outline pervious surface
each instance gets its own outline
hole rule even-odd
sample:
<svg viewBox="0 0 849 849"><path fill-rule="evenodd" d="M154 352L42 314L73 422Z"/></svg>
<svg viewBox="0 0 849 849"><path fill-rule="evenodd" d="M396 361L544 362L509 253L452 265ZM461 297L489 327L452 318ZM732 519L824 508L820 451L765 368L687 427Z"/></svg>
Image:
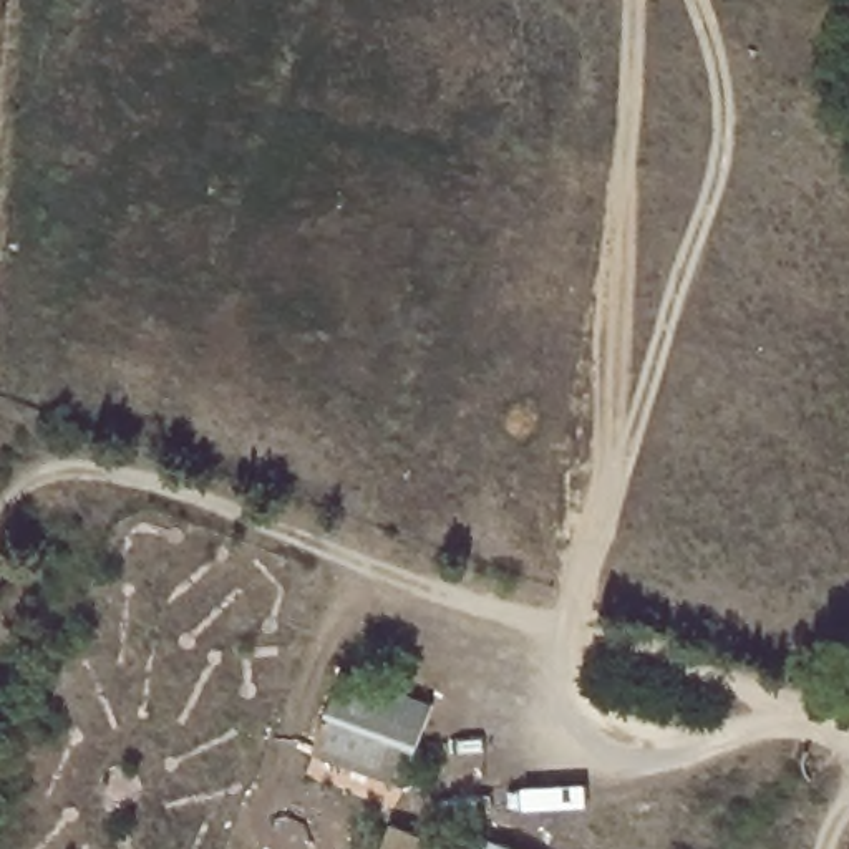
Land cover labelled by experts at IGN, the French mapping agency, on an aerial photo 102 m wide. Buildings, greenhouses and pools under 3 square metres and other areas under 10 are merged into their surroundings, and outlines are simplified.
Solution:
<svg viewBox="0 0 849 849"><path fill-rule="evenodd" d="M444 677L468 693L464 720L471 726L488 730L501 743L501 750L521 750L534 769L587 769L600 779L640 779L690 769L716 756L726 756L763 740L809 740L832 753L846 730L839 730L832 720L809 720L803 710L803 696L796 690L766 690L759 677L750 670L736 670L726 683L736 700L730 720L720 730L657 726L637 716L597 710L580 693L580 663L584 650L600 637L597 604L604 580L604 560L617 534L627 484L663 381L673 332L680 325L693 275L700 269L706 235L726 192L733 163L736 103L726 43L720 33L713 0L683 0L706 66L713 143L690 226L663 282L657 325L640 368L637 395L627 408L637 282L637 146L643 106L647 0L623 0L617 136L607 182L600 265L594 282L590 358L577 361L577 371L587 371L594 388L590 484L584 511L567 514L560 527L570 547L560 554L557 604L524 607L507 600L458 584L441 580L438 574L418 574L401 564L371 557L365 551L345 547L332 534L322 527L302 527L289 511L282 511L282 517L272 524L255 527L262 537L315 554L318 560L361 574L375 584L398 587L415 600L451 607L451 623L444 627L441 643L464 647L464 660L451 660L444 667Z"/></svg>
<svg viewBox="0 0 849 849"><path fill-rule="evenodd" d="M235 521L242 511L235 497L166 484L159 471L149 468L103 468L90 458L50 458L20 468L13 481L0 491L0 517L17 497L33 494L36 488L53 481L99 481L136 491L182 501L189 507L229 521Z"/></svg>

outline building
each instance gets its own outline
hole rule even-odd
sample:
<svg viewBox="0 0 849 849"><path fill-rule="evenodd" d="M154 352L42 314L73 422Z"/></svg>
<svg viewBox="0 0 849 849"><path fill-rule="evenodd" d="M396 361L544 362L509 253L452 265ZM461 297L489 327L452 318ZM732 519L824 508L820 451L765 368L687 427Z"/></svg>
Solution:
<svg viewBox="0 0 849 849"><path fill-rule="evenodd" d="M415 836L395 829L385 832L381 849L421 849Z"/></svg>
<svg viewBox="0 0 849 849"><path fill-rule="evenodd" d="M325 716L325 750L338 756L361 756L365 763L358 773L368 779L415 786L421 799L431 796L444 786L441 769L425 766L415 756L411 743L398 740L408 726L421 723L428 710L428 703L411 700L418 677L395 673L388 667L358 667L352 673L338 670L338 680L328 683L328 693L338 703L338 710Z"/></svg>

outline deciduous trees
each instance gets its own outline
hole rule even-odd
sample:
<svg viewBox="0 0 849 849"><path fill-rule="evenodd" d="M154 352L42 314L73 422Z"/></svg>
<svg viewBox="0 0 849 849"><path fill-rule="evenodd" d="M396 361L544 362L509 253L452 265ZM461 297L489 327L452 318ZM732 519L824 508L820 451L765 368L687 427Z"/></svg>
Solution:
<svg viewBox="0 0 849 849"><path fill-rule="evenodd" d="M156 793L143 793L133 799L136 826L129 839L139 849L186 849L206 809L166 809L169 799L186 796L182 786L172 779Z"/></svg>
<svg viewBox="0 0 849 849"><path fill-rule="evenodd" d="M819 66L813 70L813 93L819 96L816 123L822 126L822 133L836 129L849 139L849 0L826 0L829 10L813 46L813 60L819 60Z"/></svg>
<svg viewBox="0 0 849 849"><path fill-rule="evenodd" d="M491 819L481 819L478 813L454 813L448 822L421 826L415 836L421 849L484 849L488 842L481 839L481 826L488 826Z"/></svg>
<svg viewBox="0 0 849 849"><path fill-rule="evenodd" d="M381 849L385 832L395 829L391 809L381 809L378 796L365 796L365 806L348 819L348 849Z"/></svg>
<svg viewBox="0 0 849 849"><path fill-rule="evenodd" d="M710 607L693 604L670 604L660 594L647 594L623 574L610 574L604 580L597 604L600 637L584 650L580 663L580 693L597 710L637 716L657 726L720 730L730 720L736 700L726 683L736 670L750 670L759 677L766 690L796 690L803 696L803 710L809 720L832 720L839 730L846 730L849 730L849 584L829 590L826 607L816 614L813 623L799 620L793 630L763 633L740 623L736 614L716 614Z"/></svg>
<svg viewBox="0 0 849 849"><path fill-rule="evenodd" d="M690 819L670 849L786 849L783 832L776 832L776 816L789 803L829 806L832 799L842 779L836 763L799 766L793 759L783 759L776 779L763 783L753 773L733 769L726 756L716 756L690 769L690 776L677 786L677 796L690 803Z"/></svg>
<svg viewBox="0 0 849 849"><path fill-rule="evenodd" d="M202 554L212 560L219 547L239 544L249 527L255 527L272 524L282 517L282 511L289 511L302 527L322 527L332 534L345 511L338 491L325 491L322 484L295 478L285 458L226 458L216 451L212 441L192 431L186 418L172 421L166 415L136 415L123 401L103 401L99 411L86 411L73 398L73 391L60 391L40 405L33 425L17 425L13 438L0 448L0 491L13 481L20 468L50 458L90 458L103 468L149 468L159 471L166 484L235 497L242 511L235 521L229 521L189 507L182 501L136 491L119 507L113 507L106 524L93 524L90 517L83 521L83 514L76 511L40 507L33 494L17 497L0 517L0 849L30 849L43 836L43 829L36 826L36 809L27 799L33 793L30 750L56 746L70 733L70 710L56 686L63 667L86 653L86 643L99 627L99 614L90 594L99 584L123 580L123 554L113 547L116 527L123 521L146 521L159 527L206 527Z"/></svg>
<svg viewBox="0 0 849 849"><path fill-rule="evenodd" d="M507 600L521 584L521 564L511 557L484 557L471 547L464 577L458 584Z"/></svg>

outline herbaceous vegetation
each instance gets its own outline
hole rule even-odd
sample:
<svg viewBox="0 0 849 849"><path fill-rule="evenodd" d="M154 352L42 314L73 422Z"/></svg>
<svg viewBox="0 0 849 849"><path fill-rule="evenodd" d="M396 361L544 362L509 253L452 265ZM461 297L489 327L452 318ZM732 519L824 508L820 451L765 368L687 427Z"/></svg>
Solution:
<svg viewBox="0 0 849 849"><path fill-rule="evenodd" d="M93 524L106 524L113 507L119 507L136 491L99 481L53 481L36 488L33 494L40 507L76 511L83 514L83 521L90 517Z"/></svg>
<svg viewBox="0 0 849 849"><path fill-rule="evenodd" d="M348 849L348 819L365 806L365 796L378 796L381 809L391 809L395 829L415 836L421 826L448 822L454 813L478 813L481 819L491 819L488 826L481 826L481 839L488 842L484 849L670 849L690 819L690 803L677 796L677 786L690 776L690 769L640 779L600 779L587 769L534 769L521 750L501 750L501 743L488 730L471 726L464 720L468 693L444 677L444 667L451 660L464 660L464 647L441 643L444 627L451 623L451 607L415 600L398 587L375 584L361 574L318 560L315 554L262 537L255 527L249 527L239 544L219 547L212 560L202 554L206 527L159 527L146 521L123 521L116 527L113 547L123 554L123 580L99 584L90 594L99 614L99 627L86 643L86 653L63 667L56 686L70 710L70 733L56 746L30 750L33 793L27 799L36 809L36 826L43 829L43 836L30 849L139 849L129 839L136 826L133 799L143 793L156 793L172 779L182 786L186 796L169 799L166 809L206 809L186 849ZM431 796L421 799L415 786L368 779L358 773L365 763L361 756L338 756L325 750L325 716L338 710L338 703L328 693L328 683L338 680L338 670L352 673L358 667L388 667L395 673L418 677L411 700L428 703L428 710L421 723L408 726L398 740L411 743L415 756L425 766L441 769L444 786Z"/></svg>
<svg viewBox="0 0 849 849"><path fill-rule="evenodd" d="M86 411L99 411L103 401L123 401L136 415L166 415L172 421L186 418L192 431L212 441L216 451L226 458L285 458L295 478L322 484L325 491L338 491L345 511L332 534L345 547L365 551L371 557L401 564L418 574L438 574L441 580L458 584L464 577L471 547L484 557L511 557L521 564L521 584L507 600L524 607L557 604L560 554L570 547L560 527L567 514L584 511L590 484L594 388L587 371L577 371L577 361L590 358L594 282L600 265L607 182L617 136L623 0L0 0L0 448L13 438L17 425L33 425L40 405L60 391L73 391L73 398Z"/></svg>
<svg viewBox="0 0 849 849"><path fill-rule="evenodd" d="M783 832L786 849L849 849L849 813L832 799L829 806L789 803L776 816L776 832Z"/></svg>
<svg viewBox="0 0 849 849"><path fill-rule="evenodd" d="M663 282L690 226L713 143L706 66L683 0L647 0L643 106L637 146L637 282L627 408L637 395L640 368L657 325Z"/></svg>
<svg viewBox="0 0 849 849"><path fill-rule="evenodd" d="M647 594L660 594L670 604L693 604L710 607L716 614L736 614L740 623L763 633L793 630L799 620L813 623L816 614L826 607L829 590L849 584L849 139L836 129L822 133L822 126L816 123L819 96L813 93L813 70L819 66L819 60L813 60L813 46L829 10L826 0L713 0L720 33L726 43L736 103L733 163L726 192L706 235L700 269L693 275L680 325L673 332L663 381L627 484L617 534L604 560L604 580L610 574L623 574Z"/></svg>
<svg viewBox="0 0 849 849"><path fill-rule="evenodd" d="M793 759L799 766L836 763L832 753L809 740L763 740L726 756L733 769L753 773L763 783L776 779L783 759Z"/></svg>

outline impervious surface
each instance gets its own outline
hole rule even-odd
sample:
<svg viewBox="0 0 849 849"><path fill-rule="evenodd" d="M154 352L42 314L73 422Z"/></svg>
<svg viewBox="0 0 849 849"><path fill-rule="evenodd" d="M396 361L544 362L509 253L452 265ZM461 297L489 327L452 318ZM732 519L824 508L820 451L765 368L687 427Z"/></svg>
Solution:
<svg viewBox="0 0 849 849"><path fill-rule="evenodd" d="M832 799L849 813L849 730L846 730L832 753L836 763L842 779Z"/></svg>

